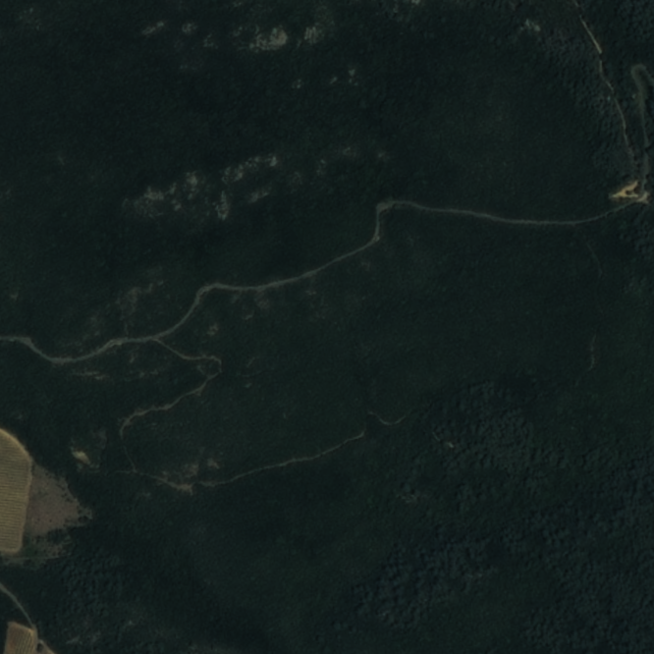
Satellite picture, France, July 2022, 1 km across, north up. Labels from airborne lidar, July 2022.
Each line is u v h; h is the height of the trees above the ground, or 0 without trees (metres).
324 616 9
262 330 6
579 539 6
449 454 7
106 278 8
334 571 7
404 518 10
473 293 8
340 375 6
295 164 6
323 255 6
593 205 7
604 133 15
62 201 7
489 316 7
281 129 11
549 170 6
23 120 7
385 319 8
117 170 6
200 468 6
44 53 9
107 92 10
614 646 18
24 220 6
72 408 8
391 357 6
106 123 9
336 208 9
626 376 14
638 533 17
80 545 10
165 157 8
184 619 14
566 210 6
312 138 10
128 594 9
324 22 6
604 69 6
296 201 8
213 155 9
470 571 14
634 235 12
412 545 9
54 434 7
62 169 6
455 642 9
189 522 6
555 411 8
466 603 8
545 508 11
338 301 5
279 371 5
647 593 18
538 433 7
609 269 5
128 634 7
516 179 6
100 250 8
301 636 9
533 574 10
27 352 9
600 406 9
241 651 7
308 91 9
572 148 6
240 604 10
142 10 10
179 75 7
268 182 6
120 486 8
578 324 6
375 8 6
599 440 16
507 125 6
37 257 8
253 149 8
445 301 8
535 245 7
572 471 23
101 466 10
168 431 6
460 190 6
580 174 7
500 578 12
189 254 11
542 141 6
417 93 13
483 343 7
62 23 10
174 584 15
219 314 6
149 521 7
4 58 8
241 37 6
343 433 5
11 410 7
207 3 9
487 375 10
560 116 6
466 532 14
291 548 8
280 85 9
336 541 7
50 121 9
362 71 7
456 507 6
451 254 7
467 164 6
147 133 8
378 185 12
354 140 6
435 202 7
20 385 7
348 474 7
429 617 9
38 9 6
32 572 7
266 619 12
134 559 11
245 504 6
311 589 8
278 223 8
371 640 9
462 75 9
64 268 6
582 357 5
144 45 7
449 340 8
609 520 6
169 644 6
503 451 20
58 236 7
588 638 9
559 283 6
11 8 6
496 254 11
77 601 17
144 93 9
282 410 6
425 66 8
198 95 9
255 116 11
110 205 5
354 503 7
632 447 9
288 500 8
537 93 8
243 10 8
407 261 7
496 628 8
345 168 8
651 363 8
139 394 5
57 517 0
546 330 7
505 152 6
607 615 11
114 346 7
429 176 6
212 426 9
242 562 5
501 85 6
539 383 6
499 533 13
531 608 8
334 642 6
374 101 10
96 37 9
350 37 9
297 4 9
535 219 8
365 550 8
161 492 6
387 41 15
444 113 6
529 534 13
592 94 19
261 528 8
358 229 6
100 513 12
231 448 6
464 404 7
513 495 9
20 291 6
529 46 12
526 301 6
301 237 6
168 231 5
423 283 8
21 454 0
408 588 8
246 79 9
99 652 15
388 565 7
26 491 0
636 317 8
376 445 6
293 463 6
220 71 6
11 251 7
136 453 7
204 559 6
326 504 7
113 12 8
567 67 15
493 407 8
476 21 8
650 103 20
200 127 13
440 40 8
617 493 21
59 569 7
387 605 18
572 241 7
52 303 6
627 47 8
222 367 8
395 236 8
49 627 16
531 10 11
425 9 6
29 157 7
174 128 8
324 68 7
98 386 6
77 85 7
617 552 12
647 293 6
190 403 6
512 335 7
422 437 6
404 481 6
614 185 9
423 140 6
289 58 9
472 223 7
